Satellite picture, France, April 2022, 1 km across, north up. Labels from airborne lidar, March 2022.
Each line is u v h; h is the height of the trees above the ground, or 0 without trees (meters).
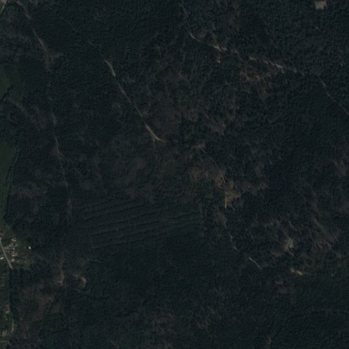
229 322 17
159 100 8
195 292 22
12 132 27
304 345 22
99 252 18
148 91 17
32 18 18
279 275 21
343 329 20
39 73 9
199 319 22
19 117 29
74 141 16
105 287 12
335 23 31
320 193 15
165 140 14
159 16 11
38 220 20
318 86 18
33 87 11
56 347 15
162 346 18
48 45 24
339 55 27
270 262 21
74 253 20
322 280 13
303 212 22
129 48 25
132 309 12
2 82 0
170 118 15
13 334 10
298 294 13
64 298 7
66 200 17
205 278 24
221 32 8
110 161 15
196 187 9
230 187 21
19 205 23
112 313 16
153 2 9
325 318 23
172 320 20
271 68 10
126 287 14
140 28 20
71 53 20
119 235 14
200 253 22
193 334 18
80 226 16
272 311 16
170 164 13
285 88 7
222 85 15
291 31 19
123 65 21
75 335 16
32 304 8
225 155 29
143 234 16
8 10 22
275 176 28
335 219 20
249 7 14
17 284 26
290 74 12
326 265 12
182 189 10
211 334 14
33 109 23
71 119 22
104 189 13
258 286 22
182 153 14
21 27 25
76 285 17
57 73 26
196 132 10
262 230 27
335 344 19
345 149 10
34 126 26
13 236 0
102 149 15
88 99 19
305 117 31
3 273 6
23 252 0
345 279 8
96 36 20
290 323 25
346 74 25
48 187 22
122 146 12
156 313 22
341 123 20
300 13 28
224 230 28
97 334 20
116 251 16
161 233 15
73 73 22
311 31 34
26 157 23
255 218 28
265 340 25
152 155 10
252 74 9
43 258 20
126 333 18
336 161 19
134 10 20
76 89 19
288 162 27
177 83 9
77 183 19
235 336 20
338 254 22
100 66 23
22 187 21
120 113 16
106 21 23
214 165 23
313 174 24
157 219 17
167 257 20
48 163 21
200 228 16
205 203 13
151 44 7
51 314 7
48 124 22
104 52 18
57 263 20
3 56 27
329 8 11
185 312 18
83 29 18
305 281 13
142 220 17
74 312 15
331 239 23
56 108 29
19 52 25
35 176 20
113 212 18
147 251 12
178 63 15
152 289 16
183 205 11
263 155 24
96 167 20
